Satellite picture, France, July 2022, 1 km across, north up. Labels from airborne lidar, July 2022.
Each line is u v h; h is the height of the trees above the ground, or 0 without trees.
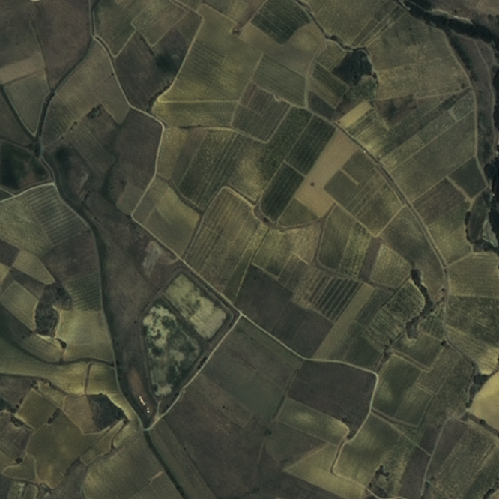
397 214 0
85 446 0
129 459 0
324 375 0
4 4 0
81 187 0
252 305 0
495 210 14
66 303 0
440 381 0
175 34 0
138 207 0
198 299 0
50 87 0
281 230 0
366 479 0
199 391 0
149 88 0
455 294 0
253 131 0
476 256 0
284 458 0
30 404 0
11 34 0
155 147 0
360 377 0
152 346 0
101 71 0
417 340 0
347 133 0
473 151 0
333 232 0
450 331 0
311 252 0
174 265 0
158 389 0
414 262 0
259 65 0
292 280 0
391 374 0
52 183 0
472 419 0
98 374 0
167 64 0
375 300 0
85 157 0
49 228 0
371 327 0
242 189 0
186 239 0
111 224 0
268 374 0
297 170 0
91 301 0
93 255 0
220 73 0
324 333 0
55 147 0
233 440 0
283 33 0
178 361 0
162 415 0
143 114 0
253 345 0
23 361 0
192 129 0
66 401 0
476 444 0
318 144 0
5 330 0
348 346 0
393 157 0
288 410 0
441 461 0
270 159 0
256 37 0
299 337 0
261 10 0
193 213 0
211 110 0
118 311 0
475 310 0
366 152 0
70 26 0
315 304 0
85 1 0
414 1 20
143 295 0
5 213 0
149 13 0
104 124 0
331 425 0
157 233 0
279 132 0
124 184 0
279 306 0
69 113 0
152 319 0
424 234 0
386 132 0
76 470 0
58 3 0
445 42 0
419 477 0
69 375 0
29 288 0
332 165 0
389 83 0
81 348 0
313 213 0
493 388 0
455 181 0
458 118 0
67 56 0
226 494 0
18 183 0
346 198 0
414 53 0
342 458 0
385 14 0
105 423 0
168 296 0
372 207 0
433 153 0
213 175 0
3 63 0
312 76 0
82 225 0
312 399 0
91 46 0
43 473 0
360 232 0
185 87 0
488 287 0
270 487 0
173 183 0
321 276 0
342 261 0
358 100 0
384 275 0
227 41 0
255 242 0
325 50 0
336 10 0
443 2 0
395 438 0
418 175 0
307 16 0
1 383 0
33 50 0
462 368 0
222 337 0
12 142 0
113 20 0
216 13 0
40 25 0
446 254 0
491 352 0
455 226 0
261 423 0
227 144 0
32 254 0
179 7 0
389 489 0
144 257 0
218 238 0
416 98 0
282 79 0
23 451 0
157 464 0
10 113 0
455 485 0
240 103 0
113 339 0
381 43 0
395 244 0
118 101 0
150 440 0
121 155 0
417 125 0
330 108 0
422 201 0
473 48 0
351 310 0
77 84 0
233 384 0
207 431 0
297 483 0
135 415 0
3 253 0
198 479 0
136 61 0
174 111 0
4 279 0
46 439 0
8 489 0
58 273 0
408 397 0
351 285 0
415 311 0
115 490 0
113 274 0
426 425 0
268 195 0
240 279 0
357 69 12
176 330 0
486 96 0
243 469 0
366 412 0
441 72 0
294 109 0
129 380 0
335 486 0
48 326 0
